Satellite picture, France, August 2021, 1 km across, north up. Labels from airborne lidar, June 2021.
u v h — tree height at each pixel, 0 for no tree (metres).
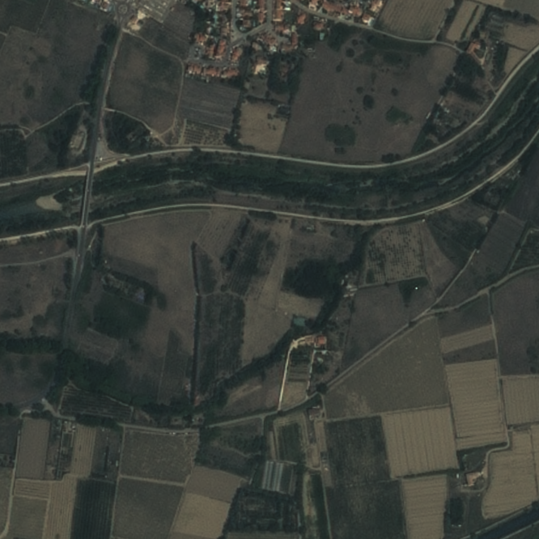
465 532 0
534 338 0
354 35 0
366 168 0
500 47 8
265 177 6
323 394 18
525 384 0
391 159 14
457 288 0
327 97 0
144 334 0
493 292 6
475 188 0
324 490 0
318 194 8
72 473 0
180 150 0
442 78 0
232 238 0
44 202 0
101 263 20
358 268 8
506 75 0
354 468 0
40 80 0
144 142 9
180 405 10
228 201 0
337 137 5
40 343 21
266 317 0
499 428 0
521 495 0
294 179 5
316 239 0
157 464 0
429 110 0
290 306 0
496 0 0
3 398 0
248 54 9
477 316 0
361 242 12
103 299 0
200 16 19
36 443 0
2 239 0
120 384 0
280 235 0
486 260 0
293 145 0
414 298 0
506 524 0
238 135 6
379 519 0
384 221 0
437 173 6
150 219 0
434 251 0
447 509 6
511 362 0
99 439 0
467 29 0
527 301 0
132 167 6
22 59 0
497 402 0
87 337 0
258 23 11
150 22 0
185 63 0
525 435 0
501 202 6
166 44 0
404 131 0
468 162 8
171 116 0
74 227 0
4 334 6
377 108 0
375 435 0
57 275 0
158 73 0
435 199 5
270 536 0
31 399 0
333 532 0
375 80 0
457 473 7
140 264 0
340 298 12
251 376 12
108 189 6
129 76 0
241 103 5
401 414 0
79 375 6
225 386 9
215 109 0
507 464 0
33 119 0
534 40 0
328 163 0
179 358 0
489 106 0
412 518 0
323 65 0
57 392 14
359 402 0
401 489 0
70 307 0
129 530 0
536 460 0
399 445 0
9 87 0
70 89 0
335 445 0
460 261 0
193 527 0
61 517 0
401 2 0
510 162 0
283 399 0
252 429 0
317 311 0
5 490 0
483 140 6
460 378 0
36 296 0
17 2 0
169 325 0
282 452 0
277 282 0
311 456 0
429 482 0
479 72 10
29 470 0
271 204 0
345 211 6
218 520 0
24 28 0
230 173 8
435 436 0
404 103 0
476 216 0
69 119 13
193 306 0
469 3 0
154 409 19
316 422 0
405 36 0
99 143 0
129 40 0
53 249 0
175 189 0
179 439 0
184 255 0
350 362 0
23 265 0
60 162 11
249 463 8
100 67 20
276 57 11
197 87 0
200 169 7
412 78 0
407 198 0
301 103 0
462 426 0
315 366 9
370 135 0
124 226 0
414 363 0
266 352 0
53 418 7
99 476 8
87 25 0
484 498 0
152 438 0
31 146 0
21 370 0
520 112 8
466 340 0
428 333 0
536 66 6
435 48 0
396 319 0
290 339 10
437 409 0
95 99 13
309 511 0
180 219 0
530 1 0
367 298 0
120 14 0
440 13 0
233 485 0
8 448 0
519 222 0
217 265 0
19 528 0
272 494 12
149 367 0
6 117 0
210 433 8
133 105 0
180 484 0
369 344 0
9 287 0
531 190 0
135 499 0
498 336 0
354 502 0
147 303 6
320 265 9
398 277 0
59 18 0
